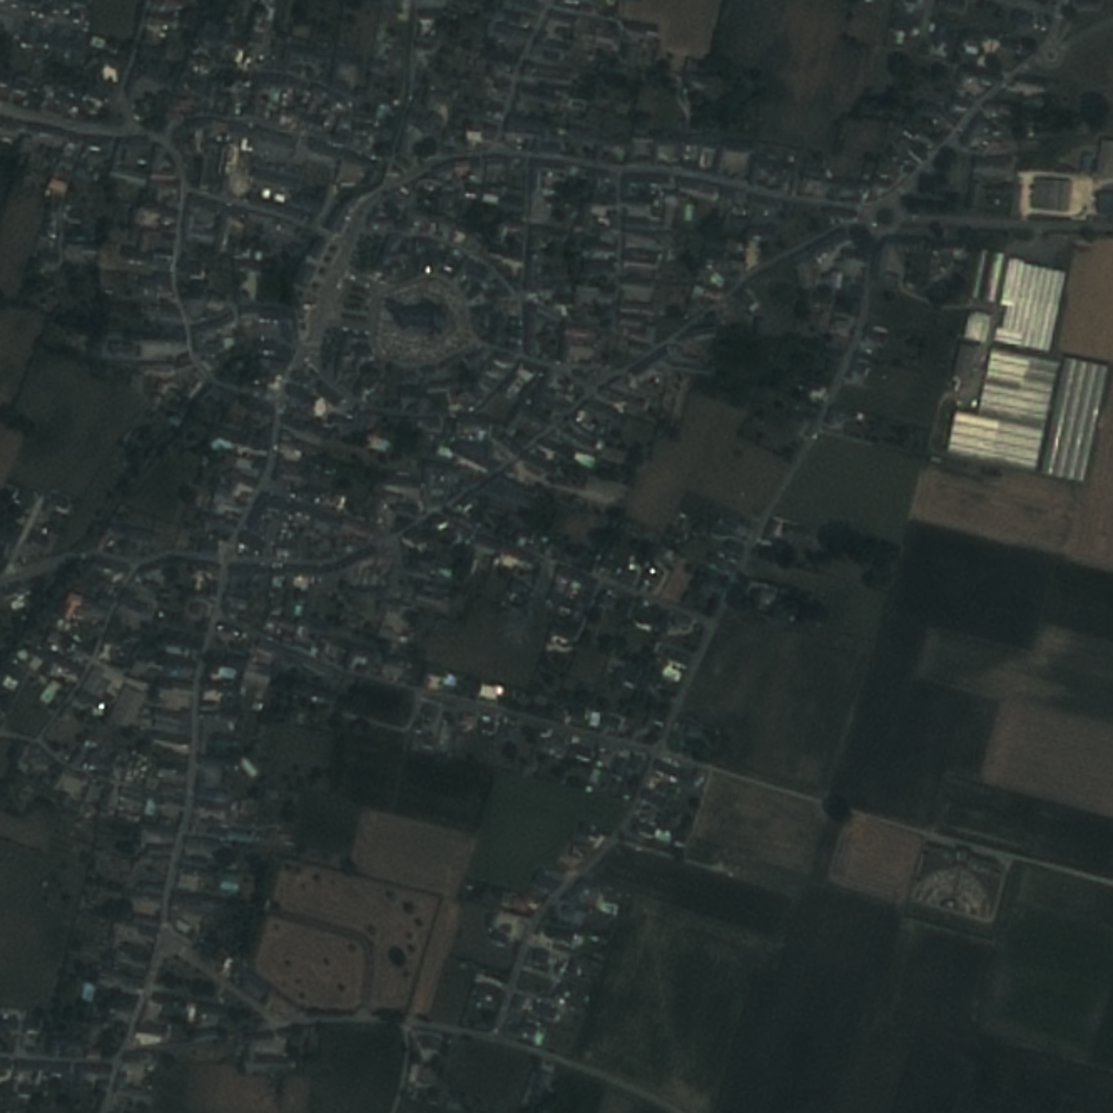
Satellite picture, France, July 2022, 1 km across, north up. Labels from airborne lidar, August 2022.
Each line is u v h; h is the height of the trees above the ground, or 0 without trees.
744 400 0
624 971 0
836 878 0
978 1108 0
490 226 5
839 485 0
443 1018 0
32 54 0
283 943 0
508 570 6
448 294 0
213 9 10
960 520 0
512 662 0
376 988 0
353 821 0
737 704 0
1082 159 0
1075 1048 0
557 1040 0
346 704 6
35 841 0
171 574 12
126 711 0
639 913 0
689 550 0
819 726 0
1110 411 0
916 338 8
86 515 0
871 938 0
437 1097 12
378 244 8
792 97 0
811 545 0
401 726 0
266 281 0
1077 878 0
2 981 0
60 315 13
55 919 0
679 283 0
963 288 15
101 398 0
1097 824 0
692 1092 0
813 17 0
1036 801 0
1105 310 0
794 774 0
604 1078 0
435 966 0
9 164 7
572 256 11
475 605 0
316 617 14
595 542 12
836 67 0
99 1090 7
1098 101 18
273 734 0
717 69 8
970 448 0
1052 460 0
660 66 10
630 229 0
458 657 0
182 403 7
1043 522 0
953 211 7
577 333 0
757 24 0
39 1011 9
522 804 0
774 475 0
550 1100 14
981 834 0
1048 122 0
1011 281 0
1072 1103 0
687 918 0
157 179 0
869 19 0
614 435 7
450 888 0
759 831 0
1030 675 0
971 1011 0
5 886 0
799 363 12
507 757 7
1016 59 6
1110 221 0
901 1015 0
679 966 0
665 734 0
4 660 13
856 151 0
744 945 0
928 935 0
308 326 0
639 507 0
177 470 0
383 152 16
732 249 0
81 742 9
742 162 0
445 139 5
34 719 0
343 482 10
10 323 0
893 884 0
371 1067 0
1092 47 0
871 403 0
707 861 0
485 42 8
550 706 7
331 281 0
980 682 0
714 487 0
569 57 0
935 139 6
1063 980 0
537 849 0
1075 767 0
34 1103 7
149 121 7
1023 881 0
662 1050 0
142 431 13
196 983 7
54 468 0
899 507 0
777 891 0
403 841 0
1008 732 0
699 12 0
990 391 0
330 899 0
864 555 22
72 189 6
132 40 10
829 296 15
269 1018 0
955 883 0
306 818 0
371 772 0
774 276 0
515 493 0
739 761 0
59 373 0
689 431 0
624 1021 0
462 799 0
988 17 0
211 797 0
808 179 0
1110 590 0
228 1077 0
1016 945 0
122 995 12
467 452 0
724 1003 0
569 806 0
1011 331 0
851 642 0
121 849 7
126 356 0
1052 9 0
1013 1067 0
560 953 0
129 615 0
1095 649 0
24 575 0
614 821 0
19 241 0
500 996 9
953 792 0
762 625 0
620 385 0
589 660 0
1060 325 0
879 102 15
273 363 0
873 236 19
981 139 0
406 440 8
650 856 0
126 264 0
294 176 0
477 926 0
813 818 0
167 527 0
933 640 0
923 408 0
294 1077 0
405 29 0
